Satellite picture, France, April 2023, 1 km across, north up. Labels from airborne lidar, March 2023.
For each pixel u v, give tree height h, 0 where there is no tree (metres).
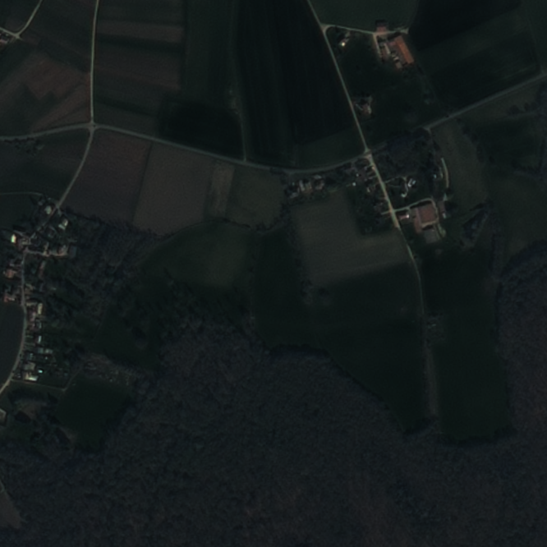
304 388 23
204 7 0
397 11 0
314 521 24
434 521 21
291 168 0
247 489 18
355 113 0
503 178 0
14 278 7
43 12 0
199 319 27
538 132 0
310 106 0
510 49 0
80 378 0
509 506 26
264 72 0
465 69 0
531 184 0
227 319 22
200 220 0
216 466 20
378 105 0
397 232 0
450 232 0
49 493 26
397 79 0
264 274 0
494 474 22
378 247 0
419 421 0
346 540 20
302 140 0
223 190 0
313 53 0
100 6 0
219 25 0
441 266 0
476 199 0
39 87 0
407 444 21
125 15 0
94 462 23
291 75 0
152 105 0
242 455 24
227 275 0
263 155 0
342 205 0
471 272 0
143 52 0
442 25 0
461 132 0
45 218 15
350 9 0
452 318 0
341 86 0
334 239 0
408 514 21
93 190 0
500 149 0
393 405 0
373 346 0
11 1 0
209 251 0
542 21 0
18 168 0
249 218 0
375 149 0
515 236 0
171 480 22
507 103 0
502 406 0
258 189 0
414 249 0
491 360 0
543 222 0
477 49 0
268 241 0
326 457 27
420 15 0
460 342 0
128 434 24
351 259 0
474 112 0
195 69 0
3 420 0
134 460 25
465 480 23
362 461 20
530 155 0
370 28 0
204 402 28
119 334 0
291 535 24
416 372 0
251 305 0
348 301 0
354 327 0
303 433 23
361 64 0
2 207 0
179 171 0
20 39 0
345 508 26
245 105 0
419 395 0
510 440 21
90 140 0
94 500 25
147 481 23
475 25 0
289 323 0
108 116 0
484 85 0
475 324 0
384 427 20
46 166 0
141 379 14
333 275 0
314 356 18
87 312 8
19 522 0
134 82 0
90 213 0
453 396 0
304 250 0
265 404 21
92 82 0
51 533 15
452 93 0
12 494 14
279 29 0
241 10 0
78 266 15
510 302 21
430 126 0
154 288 0
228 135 0
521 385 28
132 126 0
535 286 25
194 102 0
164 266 0
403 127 0
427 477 20
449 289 0
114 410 0
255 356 26
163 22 0
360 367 0
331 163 0
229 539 19
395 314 0
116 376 0
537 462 24
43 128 0
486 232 0
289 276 0
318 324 0
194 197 0
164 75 0
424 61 0
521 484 24
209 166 0
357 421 21
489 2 0
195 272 0
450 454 17
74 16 0
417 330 0
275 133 0
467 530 20
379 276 0
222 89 0
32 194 0
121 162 0
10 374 0
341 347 0
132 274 16
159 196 0
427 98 10
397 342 0
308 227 0
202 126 0
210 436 20
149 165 0
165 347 21
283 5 0
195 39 0
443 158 0
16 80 0
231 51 0
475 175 0
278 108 0
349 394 20
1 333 0
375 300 0
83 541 24
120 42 0
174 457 23
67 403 0
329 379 22
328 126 0
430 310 0
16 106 0
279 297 0
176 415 27
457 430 0
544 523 27
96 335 0
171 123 0
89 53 0
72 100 0
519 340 22
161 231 0
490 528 19
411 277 0
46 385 0
